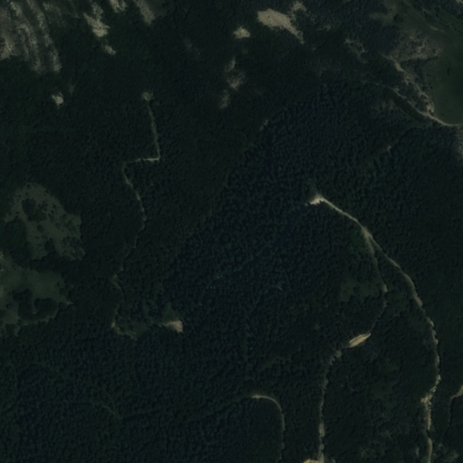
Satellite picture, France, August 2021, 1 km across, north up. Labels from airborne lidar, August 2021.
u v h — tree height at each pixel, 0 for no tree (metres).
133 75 12
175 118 22
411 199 25
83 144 19
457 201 18
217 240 12
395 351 21
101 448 16
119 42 19
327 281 17
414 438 12
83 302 27
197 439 22
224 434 12
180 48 13
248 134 20
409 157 19
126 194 17
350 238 18
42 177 21
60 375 7
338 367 24
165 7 14
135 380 22
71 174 17
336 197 16
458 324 18
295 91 20
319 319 16
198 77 10
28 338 22
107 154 15
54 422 27
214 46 13
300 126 22
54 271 12
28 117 17
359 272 20
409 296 9
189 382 22
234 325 23
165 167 19
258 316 19
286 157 27
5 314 11
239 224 21
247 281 23
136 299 26
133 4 12
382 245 22
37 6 0
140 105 17
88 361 26
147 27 13
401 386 13
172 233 24
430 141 17
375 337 12
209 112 22
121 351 12
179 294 20
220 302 23
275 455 15
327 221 21
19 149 18
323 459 0
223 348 16
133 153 20
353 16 8
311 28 13
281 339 15
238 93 6
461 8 6
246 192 13
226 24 21
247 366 18
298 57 18
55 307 21
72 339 33
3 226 19
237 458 14
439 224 22
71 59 15
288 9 6
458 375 17
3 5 0
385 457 8
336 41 20
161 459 22
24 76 17
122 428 21
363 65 12
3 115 11
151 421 23
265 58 12
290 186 23
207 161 12
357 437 23
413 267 25
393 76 13
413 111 16
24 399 23
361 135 22
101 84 20
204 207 21
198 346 24
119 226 20
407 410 10
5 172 19
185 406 20
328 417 19
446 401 20
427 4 13
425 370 18
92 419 18
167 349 13
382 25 9
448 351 18
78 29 12
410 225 22
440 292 11
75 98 9
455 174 20
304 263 23
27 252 23
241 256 17
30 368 12
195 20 14
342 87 23
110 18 10
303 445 25
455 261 15
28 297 14
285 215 19
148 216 22
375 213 21
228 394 20
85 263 18
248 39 10
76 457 24
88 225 21
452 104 0
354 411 19
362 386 21
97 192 21
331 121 18
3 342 14
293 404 19
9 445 15
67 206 19
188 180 19
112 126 22
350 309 18
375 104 16
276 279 20
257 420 11
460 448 14
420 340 19
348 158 12
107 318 22
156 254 21
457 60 0
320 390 23
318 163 23
